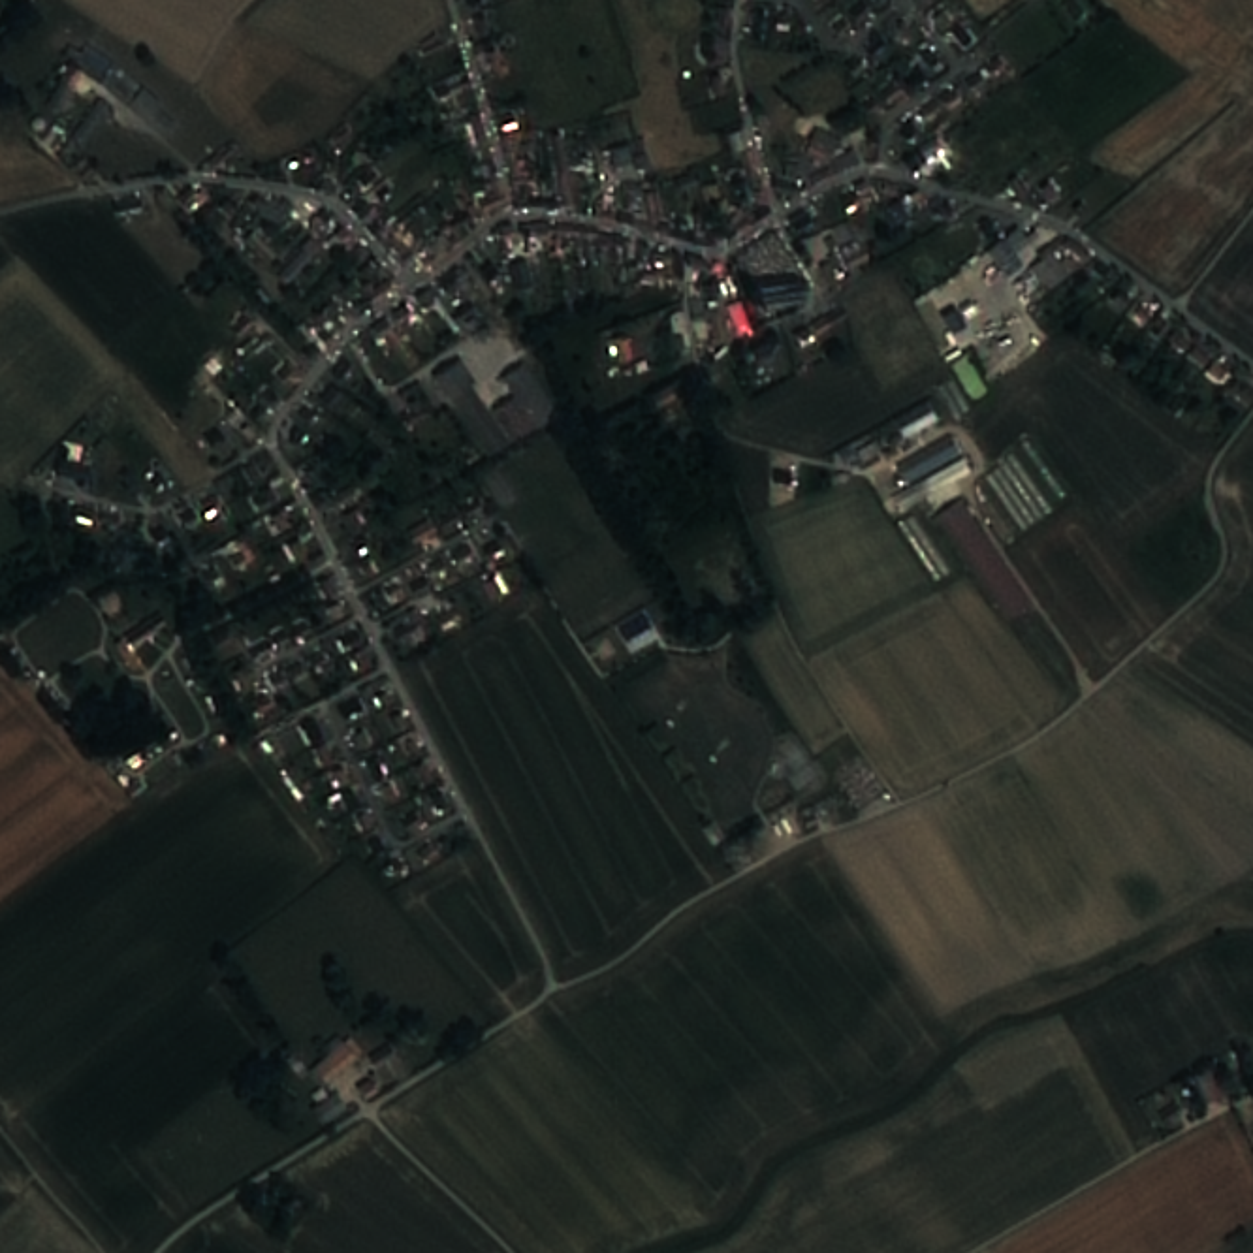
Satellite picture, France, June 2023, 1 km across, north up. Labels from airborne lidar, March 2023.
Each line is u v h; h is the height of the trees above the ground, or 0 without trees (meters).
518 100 6
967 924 0
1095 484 0
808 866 0
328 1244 0
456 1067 0
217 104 0
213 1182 0
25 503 9
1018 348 0
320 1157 0
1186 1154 0
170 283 0
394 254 0
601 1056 0
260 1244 0
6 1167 0
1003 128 0
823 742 0
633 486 7
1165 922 0
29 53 0
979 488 0
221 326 0
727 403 8
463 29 0
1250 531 0
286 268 0
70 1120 0
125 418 0
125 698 21
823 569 0
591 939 0
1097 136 0
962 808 0
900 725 0
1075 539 0
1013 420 0
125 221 0
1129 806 0
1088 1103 0
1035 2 0
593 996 0
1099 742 0
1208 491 0
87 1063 0
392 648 8
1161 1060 0
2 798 0
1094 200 0
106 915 0
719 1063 0
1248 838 0
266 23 0
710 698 0
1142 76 0
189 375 0
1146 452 0
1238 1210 0
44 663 0
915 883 0
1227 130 0
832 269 0
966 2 0
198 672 13
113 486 0
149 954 0
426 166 0
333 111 0
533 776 0
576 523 0
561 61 0
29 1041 0
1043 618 0
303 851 0
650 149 0
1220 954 0
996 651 0
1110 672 0
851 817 0
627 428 9
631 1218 0
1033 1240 0
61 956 0
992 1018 0
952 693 0
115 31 0
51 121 0
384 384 0
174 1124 0
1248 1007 0
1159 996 0
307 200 0
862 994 0
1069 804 0
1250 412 0
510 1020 0
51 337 0
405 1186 0
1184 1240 0
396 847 0
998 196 0
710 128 0
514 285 0
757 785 0
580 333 0
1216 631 0
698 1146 0
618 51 0
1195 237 0
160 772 0
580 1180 0
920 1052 0
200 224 14
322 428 0
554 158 0
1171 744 0
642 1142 0
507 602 0
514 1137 0
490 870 0
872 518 0
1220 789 0
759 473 0
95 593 7
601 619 0
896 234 8
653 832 0
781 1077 0
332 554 0
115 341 0
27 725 0
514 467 0
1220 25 0
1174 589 0
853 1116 0
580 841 0
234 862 0
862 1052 0
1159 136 0
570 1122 0
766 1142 0
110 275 0
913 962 0
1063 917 0
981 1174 0
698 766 0
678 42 0
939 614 0
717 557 0
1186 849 0
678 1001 0
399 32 0
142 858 0
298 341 0
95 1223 0
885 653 0
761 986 0
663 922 0
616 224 0
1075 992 0
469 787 0
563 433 28
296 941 0
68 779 0
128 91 0
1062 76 0
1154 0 0
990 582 0
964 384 0
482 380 0
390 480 10
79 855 0
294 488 0
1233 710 0
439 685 0
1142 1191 0
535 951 0
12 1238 0
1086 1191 0
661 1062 0
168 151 0
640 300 0
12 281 0
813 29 0
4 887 0
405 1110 0
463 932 0
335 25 0
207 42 0
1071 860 0
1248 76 0
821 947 0
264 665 0
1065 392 0
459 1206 0
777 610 0
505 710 0
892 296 0
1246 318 0
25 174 0
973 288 0
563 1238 0
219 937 0
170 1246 0
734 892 0
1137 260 0
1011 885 0
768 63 0
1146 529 0
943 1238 0
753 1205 0
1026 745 0
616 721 0
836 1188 0
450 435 0
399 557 0
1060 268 0
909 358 0
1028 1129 0
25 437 0
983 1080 0
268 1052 0
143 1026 0
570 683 0
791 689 0
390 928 0
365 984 0
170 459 0
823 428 0
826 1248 0
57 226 0
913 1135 0
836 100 0
